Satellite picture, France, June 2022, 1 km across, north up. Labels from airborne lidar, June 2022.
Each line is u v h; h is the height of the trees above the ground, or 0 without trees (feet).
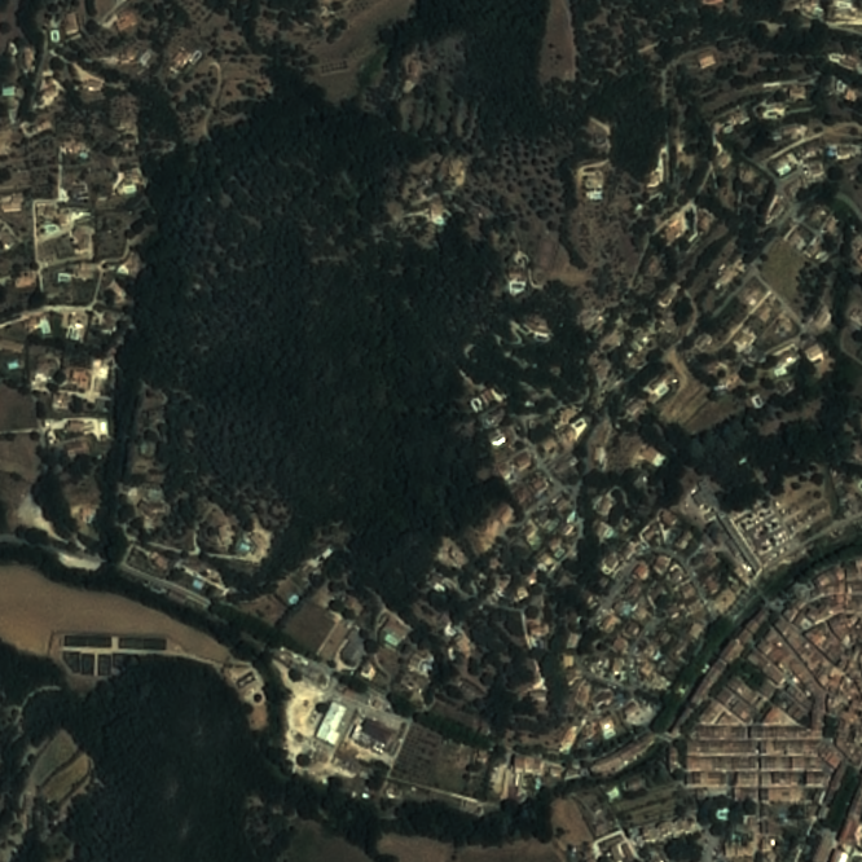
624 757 0
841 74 50
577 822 0
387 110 19
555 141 29
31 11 47
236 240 29
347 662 19
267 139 52
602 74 33
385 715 0
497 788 0
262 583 27
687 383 0
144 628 0
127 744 35
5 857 0
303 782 30
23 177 0
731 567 36
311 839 0
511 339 23
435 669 23
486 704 39
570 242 30
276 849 42
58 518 59
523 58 23
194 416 45
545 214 44
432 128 35
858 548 58
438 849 0
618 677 20
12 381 32
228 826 45
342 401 36
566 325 29
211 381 32
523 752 46
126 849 31
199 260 37
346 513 26
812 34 46
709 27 44
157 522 0
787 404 43
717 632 52
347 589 42
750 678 29
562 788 27
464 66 20
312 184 38
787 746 0
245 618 52
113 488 36
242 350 31
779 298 0
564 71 0
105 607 0
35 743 35
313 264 26
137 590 49
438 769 0
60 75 27
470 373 38
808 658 0
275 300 44
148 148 34
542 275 0
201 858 34
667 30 44
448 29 43
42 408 24
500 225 40
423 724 52
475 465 35
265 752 41
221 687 41
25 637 0
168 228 55
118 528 31
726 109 41
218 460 47
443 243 49
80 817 52
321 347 32
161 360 31
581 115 23
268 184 42
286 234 23
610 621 0
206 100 43
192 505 35
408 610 39
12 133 0
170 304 44
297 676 50
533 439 30
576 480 25
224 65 0
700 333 45
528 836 73
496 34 18
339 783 58
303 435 22
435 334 32
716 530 39
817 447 115
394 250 33
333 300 29
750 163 21
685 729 42
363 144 38
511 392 39
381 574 35
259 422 26
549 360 37
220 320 47
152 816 21
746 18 37
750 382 50
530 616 43
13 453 0
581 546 40
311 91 58
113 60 0
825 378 36
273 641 70
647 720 0
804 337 28
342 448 32
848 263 28
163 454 49
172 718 21
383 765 20
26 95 25
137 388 38
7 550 53
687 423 0
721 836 46
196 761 26
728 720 0
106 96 35
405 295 49
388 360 35
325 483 52
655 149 27
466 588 43
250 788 51
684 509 0
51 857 36
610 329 44
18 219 0
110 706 33
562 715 47
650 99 27
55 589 0
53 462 45
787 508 0
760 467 35
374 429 29
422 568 46
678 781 47
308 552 35
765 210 49
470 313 23
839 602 0
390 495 28
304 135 46
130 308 43
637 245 51
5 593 0
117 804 56
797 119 30
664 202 23
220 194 41
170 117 31
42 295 46
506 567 37
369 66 18
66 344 29
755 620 0
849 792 41
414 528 33
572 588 46
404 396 52
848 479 23
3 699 40
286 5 32
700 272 31
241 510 43
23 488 0
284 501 39
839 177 49
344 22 46
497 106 32
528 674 37
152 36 27
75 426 0
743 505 49
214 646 0
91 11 33
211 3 44
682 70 45
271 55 36
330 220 39
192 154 43
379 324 47
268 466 27
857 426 31
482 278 27
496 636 41
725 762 0
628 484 38
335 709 0
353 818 45
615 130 18
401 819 31
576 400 38
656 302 32
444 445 31
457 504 47
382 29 30
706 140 26
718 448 75
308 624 0
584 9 34
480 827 85
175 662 44
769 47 62
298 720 0
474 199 29
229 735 24
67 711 41
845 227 33
